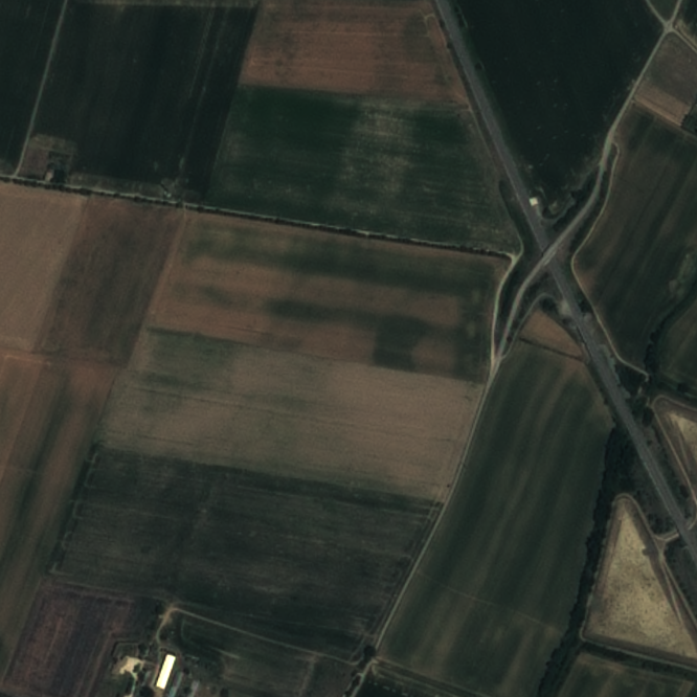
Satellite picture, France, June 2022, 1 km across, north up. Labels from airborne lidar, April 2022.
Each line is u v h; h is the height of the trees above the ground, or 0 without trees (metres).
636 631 0
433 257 0
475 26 0
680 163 0
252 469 0
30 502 0
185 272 0
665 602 0
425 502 0
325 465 0
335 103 0
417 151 0
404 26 0
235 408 0
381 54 0
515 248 0
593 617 0
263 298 0
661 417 0
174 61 0
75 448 0
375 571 0
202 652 0
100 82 0
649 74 0
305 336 0
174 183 0
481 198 0
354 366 0
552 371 0
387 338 0
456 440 0
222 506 0
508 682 0
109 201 0
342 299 0
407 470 0
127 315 0
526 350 0
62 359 0
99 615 0
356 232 9
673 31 0
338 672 0
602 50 0
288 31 0
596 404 0
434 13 0
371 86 0
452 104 0
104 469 0
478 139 0
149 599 0
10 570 0
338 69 0
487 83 0
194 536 0
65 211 0
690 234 0
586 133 0
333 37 0
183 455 0
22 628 0
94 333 0
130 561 0
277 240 0
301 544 0
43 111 0
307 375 0
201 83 0
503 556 0
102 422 0
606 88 0
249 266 0
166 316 0
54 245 0
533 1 0
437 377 0
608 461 8
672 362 0
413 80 0
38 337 0
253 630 0
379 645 0
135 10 0
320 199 0
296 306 0
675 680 0
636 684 0
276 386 0
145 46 0
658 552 0
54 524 0
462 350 0
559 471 0
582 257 0
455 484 0
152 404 0
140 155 0
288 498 0
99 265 0
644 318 0
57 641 0
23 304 0
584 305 13
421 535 0
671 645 0
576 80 0
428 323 0
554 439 0
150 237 0
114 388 0
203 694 0
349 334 0
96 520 0
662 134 0
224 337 0
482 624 0
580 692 0
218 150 0
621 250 0
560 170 0
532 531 0
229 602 0
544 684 11
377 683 0
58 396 0
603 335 0
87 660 0
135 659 0
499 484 0
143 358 0
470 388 0
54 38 0
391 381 0
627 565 0
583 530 0
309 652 0
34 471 0
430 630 0
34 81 0
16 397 0
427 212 0
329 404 0
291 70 0
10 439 0
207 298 0
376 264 0
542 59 0
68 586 0
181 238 0
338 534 0
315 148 0
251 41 0
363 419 0
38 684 0
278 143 0
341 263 0
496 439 0
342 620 0
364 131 0
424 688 0
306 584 0
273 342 0
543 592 0
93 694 0
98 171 0
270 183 0
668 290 0
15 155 0
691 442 0
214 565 0
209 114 0
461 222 0
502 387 0
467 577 0
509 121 0
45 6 0
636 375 9
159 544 0
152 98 0
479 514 0
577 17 0
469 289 0
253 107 0
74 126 0
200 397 0
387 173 0
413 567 0
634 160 0
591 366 0
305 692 0
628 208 0
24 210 0
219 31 0
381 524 0
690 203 0
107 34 0
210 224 0
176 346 0
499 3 0
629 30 0
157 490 0
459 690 0
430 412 0
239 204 0
